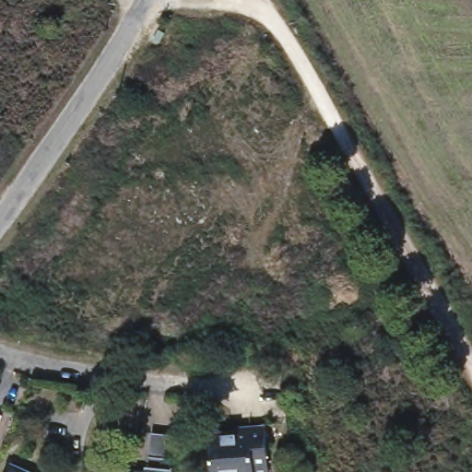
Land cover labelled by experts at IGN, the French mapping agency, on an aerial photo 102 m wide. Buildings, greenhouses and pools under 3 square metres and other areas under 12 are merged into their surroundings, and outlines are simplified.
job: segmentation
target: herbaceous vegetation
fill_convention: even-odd
[[[33,138],[37,120],[52,109],[53,96],[57,96],[63,88],[70,87],[70,77],[74,76],[81,61],[85,59],[88,46],[98,39],[101,31],[111,33],[114,29],[109,26],[109,18],[120,7],[118,0],[0,0],[0,179],[6,175],[9,168],[13,168],[13,162],[24,149],[24,140]]]
[[[20,450],[20,444],[13,442],[9,448],[0,446],[0,472],[4,472],[7,457],[15,454]]]
[[[142,186],[146,192],[155,192],[166,190],[171,184],[179,181],[201,186],[212,183],[212,179],[218,175],[229,175],[232,181],[238,181],[245,173],[245,168],[242,166],[242,160],[230,155],[229,146],[225,144],[223,136],[223,124],[229,120],[236,120],[236,129],[245,140],[262,131],[267,138],[282,140],[289,122],[299,114],[301,107],[297,103],[301,103],[310,94],[302,83],[299,72],[291,65],[284,48],[273,37],[273,33],[265,28],[262,22],[240,13],[219,11],[216,17],[190,17],[183,9],[164,9],[159,17],[159,31],[168,33],[170,39],[162,37],[157,44],[140,44],[125,61],[118,76],[112,79],[111,85],[105,88],[98,105],[88,114],[87,120],[77,129],[76,135],[72,136],[65,155],[61,155],[55,162],[39,190],[33,194],[22,214],[18,216],[15,225],[7,230],[4,238],[0,240],[0,337],[7,341],[20,341],[22,347],[31,348],[35,354],[46,354],[52,358],[70,358],[87,363],[90,369],[98,365],[103,360],[105,348],[109,347],[111,336],[127,337],[131,347],[151,347],[157,356],[168,348],[188,354],[197,345],[218,347],[230,354],[245,352],[245,365],[242,371],[251,371],[256,374],[256,378],[273,378],[275,382],[280,383],[289,376],[299,378],[304,374],[308,380],[312,380],[315,365],[326,367],[328,361],[339,360],[347,367],[350,376],[358,382],[356,393],[371,398],[371,406],[365,407],[369,426],[361,433],[345,428],[343,417],[350,413],[343,402],[339,406],[326,406],[317,396],[312,400],[308,419],[295,422],[286,417],[286,433],[280,439],[275,437],[271,444],[286,452],[299,452],[302,455],[302,465],[312,472],[472,472],[472,378],[468,380],[466,385],[461,385],[452,395],[442,396],[441,400],[433,400],[419,395],[417,385],[402,371],[402,363],[387,365],[385,369],[376,369],[372,365],[369,356],[374,352],[374,341],[380,339],[378,328],[382,326],[376,317],[376,310],[380,308],[380,299],[385,295],[385,291],[380,289],[378,282],[358,282],[356,286],[352,286],[345,277],[348,264],[343,247],[350,243],[352,238],[348,230],[341,229],[334,219],[334,210],[341,208],[339,203],[328,201],[326,195],[313,195],[306,184],[304,177],[308,175],[310,168],[315,168],[315,162],[310,159],[295,164],[291,181],[301,188],[301,194],[297,197],[297,210],[302,225],[319,227],[321,236],[308,238],[304,243],[293,243],[286,238],[288,230],[284,225],[275,225],[275,229],[271,230],[264,243],[264,253],[269,253],[278,245],[278,258],[289,258],[289,264],[284,265],[284,273],[288,278],[284,284],[267,275],[265,269],[251,269],[245,258],[247,249],[242,245],[214,242],[216,236],[223,236],[227,227],[232,227],[236,221],[236,212],[225,210],[216,219],[214,229],[205,230],[199,225],[195,229],[195,232],[199,232],[197,238],[184,238],[181,247],[171,249],[166,260],[157,265],[155,275],[144,280],[144,288],[138,302],[147,310],[170,313],[170,323],[160,323],[159,328],[155,328],[149,317],[138,317],[125,321],[120,328],[109,332],[100,321],[88,321],[85,317],[85,302],[90,297],[107,299],[107,289],[116,289],[116,273],[109,265],[105,265],[101,275],[68,277],[59,282],[57,271],[70,264],[77,254],[83,251],[90,232],[94,232],[96,225],[100,223],[101,208],[118,197],[120,188]],[[249,65],[247,81],[243,85],[236,85],[230,79],[229,61],[232,48],[254,44],[260,46],[260,63]],[[175,100],[159,100],[159,94],[153,88],[168,83],[170,79],[181,81],[184,76],[190,76],[199,68],[205,70],[203,81],[192,85]],[[116,112],[114,98],[116,94],[127,96],[131,90],[146,98],[146,111],[135,118],[120,118]],[[400,446],[424,442],[428,455],[419,463],[407,466],[406,470],[393,470],[383,465],[382,459],[378,459],[376,454],[376,446],[385,442],[395,442]]]

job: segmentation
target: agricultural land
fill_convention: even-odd
[[[455,264],[461,267],[465,282],[472,280],[472,0],[304,0],[315,20],[319,22],[326,42],[334,50],[337,65],[343,66],[343,70],[352,79],[356,96],[360,98],[369,122],[382,136],[385,147],[391,151],[400,184],[409,190],[413,205],[428,219],[431,229],[439,232],[442,242],[448,247],[448,253],[452,254]]]

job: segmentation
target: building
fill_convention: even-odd
[[[15,454],[7,457],[4,472],[39,472],[33,461],[22,459]]]
[[[232,415],[219,426],[218,431],[212,435],[212,441],[203,448],[206,457],[210,459],[206,461],[208,472],[273,472],[269,454],[271,444],[275,437],[271,428],[277,422],[277,417],[273,413],[267,411],[262,417]]]
[[[127,472],[171,472],[170,465],[166,463],[164,435],[147,433],[144,439],[144,446],[138,450],[138,459],[129,465]]]

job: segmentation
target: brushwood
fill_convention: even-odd
[[[428,455],[424,442],[400,446],[395,442],[385,442],[376,446],[376,454],[378,459],[382,459],[383,465],[393,470],[406,470],[407,466],[419,463]]]
[[[326,406],[339,406],[343,402],[350,413],[343,417],[345,428],[361,433],[369,426],[365,407],[371,406],[371,398],[356,393],[358,382],[350,376],[347,367],[339,360],[328,361],[326,367],[315,365],[312,380],[308,380],[304,374],[299,378],[289,376],[280,383],[278,389],[264,389],[262,396],[275,400],[286,417],[295,422],[308,419],[312,400],[317,396]]]
[[[52,402],[53,413],[76,413],[77,409],[90,406],[94,411],[94,422],[118,419],[112,413],[109,402],[90,389],[77,391],[74,385],[68,383],[18,378],[17,382],[11,385],[4,402],[0,404],[0,415],[2,415],[2,413],[11,413],[13,417],[26,419],[22,415],[22,409],[28,402],[41,398]]]
[[[433,271],[431,280],[437,282],[437,286],[444,291],[448,306],[457,315],[457,319],[463,326],[463,336],[472,339],[472,280],[465,282],[461,267],[455,264],[452,254],[448,253],[448,247],[442,242],[439,232],[431,229],[428,219],[413,205],[409,190],[400,184],[391,151],[385,147],[382,136],[369,122],[360,98],[356,96],[352,79],[343,70],[343,66],[337,65],[334,50],[326,42],[319,22],[315,20],[304,0],[271,0],[273,6],[277,7],[278,15],[284,18],[291,33],[301,44],[306,57],[310,59],[315,74],[319,76],[330,100],[336,105],[341,122],[347,122],[354,129],[358,136],[356,153],[361,153],[365,160],[371,160],[374,164],[374,173],[382,186],[382,195],[387,195],[400,210],[404,219],[404,236],[413,238],[417,249],[415,253],[426,256]]]
[[[271,444],[269,454],[273,472],[312,472],[302,465],[302,455],[299,452],[286,452]]]

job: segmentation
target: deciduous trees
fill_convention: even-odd
[[[308,175],[304,177],[306,184],[313,195],[326,195],[332,186],[337,186],[343,181],[328,164],[315,168],[310,168]]]
[[[212,441],[212,435],[218,431],[219,426],[232,415],[229,409],[225,409],[223,402],[212,402],[212,396],[208,393],[166,396],[166,402],[177,404],[177,411],[171,415],[168,424],[162,424],[168,431],[164,435],[166,463],[170,465],[171,472],[208,472],[206,461],[210,459],[206,457],[203,448]]]
[[[13,417],[13,426],[11,426],[11,430],[7,431],[6,435],[4,435],[4,439],[2,439],[2,442],[0,442],[0,446],[9,448],[13,442],[20,444],[20,450],[15,454],[22,459],[33,461],[39,472],[127,472],[129,465],[138,459],[138,450],[144,446],[144,439],[135,435],[125,437],[120,430],[98,430],[92,424],[88,428],[88,442],[83,446],[85,459],[72,463],[57,444],[44,439],[44,428],[39,419],[26,419]]]
[[[402,363],[402,371],[417,385],[419,395],[433,400],[441,400],[442,396],[452,395],[461,385],[466,385],[468,380],[465,380],[463,374],[466,350],[463,336],[463,326],[457,319],[454,323],[446,319],[437,321],[426,308],[428,297],[422,295],[422,291],[413,284],[393,286],[387,277],[398,265],[395,254],[380,236],[372,238],[369,232],[361,234],[358,225],[363,216],[358,212],[356,203],[339,203],[341,208],[334,210],[334,219],[341,229],[348,230],[352,238],[350,243],[343,247],[348,264],[345,277],[352,286],[356,286],[358,282],[378,282],[380,289],[385,291],[385,295],[380,299],[380,308],[376,310],[376,317],[382,326],[378,328],[380,339],[374,341],[374,352],[369,356],[372,365],[376,369],[385,369],[387,365]]]
[[[242,371],[245,365],[245,352],[230,354],[218,347],[197,345],[188,354],[168,348],[157,356],[151,347],[131,347],[127,337],[111,336],[109,347],[105,348],[103,360],[98,365],[103,367],[103,378],[94,380],[90,389],[109,402],[112,413],[118,419],[122,419],[133,407],[140,406],[138,398],[149,396],[149,387],[144,382],[149,371],[186,374],[188,378],[194,374],[214,372],[219,376],[234,378],[236,372]]]
[[[146,98],[131,90],[127,96],[116,94],[114,98],[116,112],[120,118],[135,118],[146,111]]]

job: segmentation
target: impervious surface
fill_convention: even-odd
[[[166,396],[208,393],[212,396],[212,402],[223,402],[225,409],[229,409],[232,415],[262,417],[267,411],[273,413],[277,417],[277,422],[271,428],[275,437],[280,439],[286,433],[286,417],[275,400],[262,396],[264,389],[278,389],[280,383],[275,382],[273,378],[256,378],[256,374],[251,371],[242,371],[236,372],[234,378],[219,376],[214,372],[194,374],[188,378],[186,374],[149,371],[144,382],[149,387],[149,396],[138,398],[140,406],[133,407],[122,419],[118,419],[94,422],[94,411],[90,406],[77,409],[76,413],[53,413],[52,422],[44,428],[44,439],[57,444],[72,463],[85,459],[83,446],[88,442],[88,428],[92,424],[98,430],[120,430],[125,437],[135,435],[144,439],[147,433],[164,435],[168,431],[162,424],[168,424],[171,415],[177,411],[177,404],[166,402]]]
[[[22,347],[20,341],[7,341],[0,337],[0,404],[4,402],[11,385],[17,382],[18,378],[68,383],[74,385],[77,391],[90,389],[94,380],[103,378],[103,367],[98,365],[90,369],[87,363],[70,358],[52,358],[46,354],[35,354],[31,348]]]
[[[7,230],[15,225],[18,216],[22,214],[33,194],[39,190],[55,162],[61,155],[65,155],[72,136],[76,135],[77,129],[87,120],[88,114],[98,105],[105,88],[111,85],[112,79],[118,76],[125,61],[140,44],[144,31],[142,22],[153,0],[135,0],[129,11],[120,9],[120,20],[114,29],[111,33],[111,39],[101,50],[100,57],[96,59],[87,76],[83,77],[72,98],[66,101],[65,109],[59,112],[48,133],[42,136],[41,142],[33,149],[26,164],[18,171],[15,181],[9,186],[0,181],[0,240],[4,238]]]
[[[11,430],[11,426],[13,426],[13,417],[11,413],[2,413],[2,415],[0,415],[0,442],[2,442],[2,439],[4,439],[4,435],[6,435],[7,431]]]

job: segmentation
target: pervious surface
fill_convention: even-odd
[[[243,85],[247,81],[249,65],[260,63],[260,46],[254,44],[232,48],[229,61],[230,79],[236,85]]]
[[[184,76],[181,81],[170,79],[168,83],[153,88],[159,94],[159,100],[175,100],[192,85],[203,81],[205,70],[199,68],[190,76]]]
[[[454,323],[457,319],[457,315],[448,306],[444,291],[437,286],[437,282],[431,280],[433,271],[426,256],[415,253],[417,249],[413,238],[404,236],[404,219],[400,210],[387,195],[382,195],[382,186],[374,173],[374,164],[371,160],[365,160],[361,153],[356,153],[358,136],[354,129],[347,122],[341,122],[336,105],[330,100],[319,76],[315,74],[310,59],[306,57],[301,44],[291,33],[284,18],[278,15],[277,7],[273,6],[271,0],[153,0],[142,22],[144,31],[140,44],[157,44],[162,37],[170,39],[168,33],[159,31],[159,17],[164,9],[183,9],[190,17],[216,17],[219,11],[240,13],[262,22],[265,28],[273,33],[273,37],[284,48],[291,65],[299,72],[302,83],[310,94],[301,103],[297,103],[301,107],[299,114],[289,122],[282,140],[267,138],[262,131],[245,140],[236,129],[236,120],[229,120],[223,124],[223,136],[225,144],[229,146],[230,155],[242,160],[242,166],[245,168],[245,173],[238,181],[232,181],[229,175],[218,175],[212,179],[212,183],[201,186],[179,181],[171,184],[166,190],[155,192],[146,192],[142,186],[120,188],[118,197],[101,208],[100,223],[96,225],[94,232],[90,232],[83,251],[77,254],[70,264],[57,271],[59,282],[68,277],[101,275],[105,265],[109,265],[116,273],[116,289],[107,289],[107,299],[90,297],[85,302],[85,317],[88,321],[100,321],[109,332],[120,328],[125,321],[138,317],[149,317],[155,328],[159,328],[160,323],[170,323],[170,313],[147,310],[138,302],[144,288],[144,280],[155,275],[157,265],[166,260],[171,249],[181,247],[184,238],[197,238],[199,232],[195,232],[195,229],[199,225],[205,230],[214,229],[216,219],[225,210],[236,212],[236,221],[232,227],[227,227],[223,236],[216,236],[214,242],[242,245],[247,249],[245,258],[251,269],[265,269],[267,275],[284,284],[288,278],[284,273],[284,265],[289,264],[289,258],[278,258],[278,245],[269,253],[264,253],[264,243],[271,230],[275,229],[275,225],[284,225],[288,230],[286,238],[293,243],[304,243],[308,238],[321,236],[319,227],[302,225],[297,210],[297,197],[301,194],[301,188],[291,181],[295,164],[310,159],[315,162],[315,168],[328,164],[343,181],[337,186],[332,186],[326,195],[328,201],[339,203],[356,203],[358,212],[363,216],[358,225],[361,234],[369,232],[372,238],[380,236],[395,254],[398,265],[387,277],[393,286],[413,284],[422,291],[422,295],[428,297],[426,308],[437,321],[446,319]]]
[[[463,336],[466,350],[463,374],[465,380],[468,380],[472,378],[472,339]]]
[[[85,59],[81,61],[74,76],[70,77],[70,87],[63,88],[57,96],[53,96],[52,109],[37,120],[33,138],[24,140],[24,149],[13,162],[13,168],[9,168],[6,175],[0,179],[0,181],[9,186],[15,181],[18,171],[26,164],[33,149],[41,142],[42,136],[48,133],[59,112],[65,109],[66,101],[72,98],[83,77],[87,76],[96,59],[100,57],[101,50],[111,39],[111,33],[101,31],[98,39],[88,46]]]
[[[53,413],[52,402],[41,398],[28,402],[22,409],[22,415],[26,419],[39,419],[44,428],[52,422]]]
[[[109,18],[109,26],[114,29],[120,20],[120,9],[129,11],[135,0],[118,0],[120,7]]]

